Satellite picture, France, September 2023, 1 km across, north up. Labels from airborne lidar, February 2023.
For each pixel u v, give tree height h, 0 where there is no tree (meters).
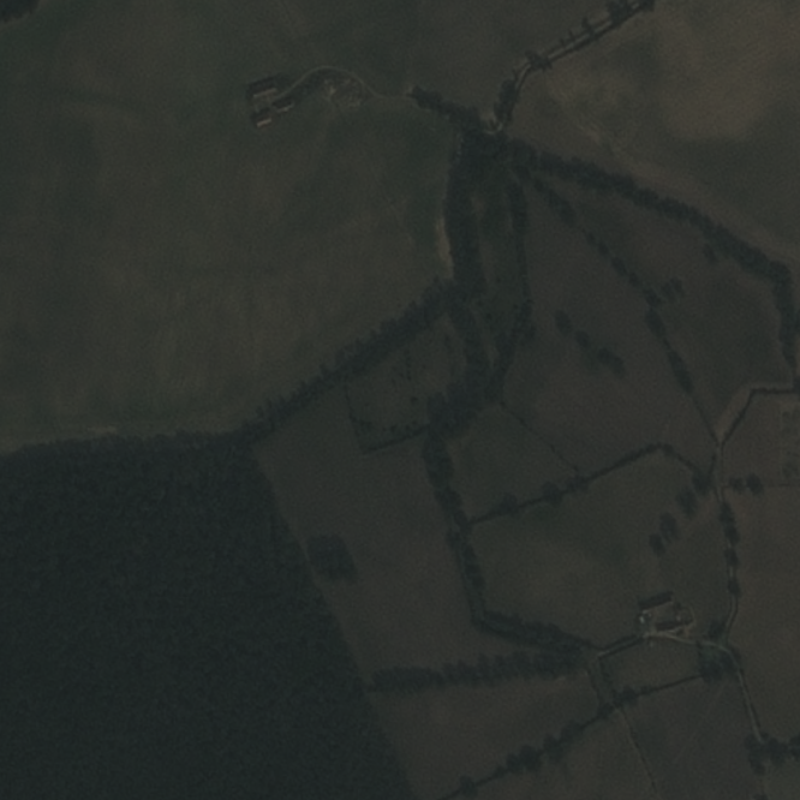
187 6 0
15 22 0
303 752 28
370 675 0
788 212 0
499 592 0
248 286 0
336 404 0
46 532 28
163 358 0
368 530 0
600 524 0
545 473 0
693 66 0
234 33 0
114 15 0
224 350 0
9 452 0
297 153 0
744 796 0
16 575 24
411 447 0
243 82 0
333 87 0
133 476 31
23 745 24
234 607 28
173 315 0
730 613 0
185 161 0
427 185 0
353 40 0
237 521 28
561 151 0
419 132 0
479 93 0
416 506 0
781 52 0
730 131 0
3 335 0
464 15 0
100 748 25
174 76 0
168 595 29
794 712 0
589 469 0
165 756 30
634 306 0
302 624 29
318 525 0
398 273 0
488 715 0
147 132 0
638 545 0
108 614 27
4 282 0
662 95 0
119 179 0
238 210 0
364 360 20
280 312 0
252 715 27
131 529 29
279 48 0
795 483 0
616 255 0
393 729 0
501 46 0
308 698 29
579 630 0
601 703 7
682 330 0
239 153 0
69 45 0
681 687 0
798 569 0
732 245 15
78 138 0
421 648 0
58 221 0
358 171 0
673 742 0
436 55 0
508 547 0
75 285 0
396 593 0
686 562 0
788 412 0
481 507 0
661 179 0
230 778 27
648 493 0
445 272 0
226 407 0
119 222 0
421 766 0
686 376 11
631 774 0
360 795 23
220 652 25
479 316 0
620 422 0
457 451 0
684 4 0
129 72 0
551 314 0
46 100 0
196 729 28
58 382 0
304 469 0
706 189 0
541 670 19
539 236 0
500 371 8
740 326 0
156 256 0
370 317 0
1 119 0
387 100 0
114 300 0
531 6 0
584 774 0
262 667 26
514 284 0
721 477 0
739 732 0
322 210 0
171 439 0
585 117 0
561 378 0
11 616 26
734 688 0
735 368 0
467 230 17
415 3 0
